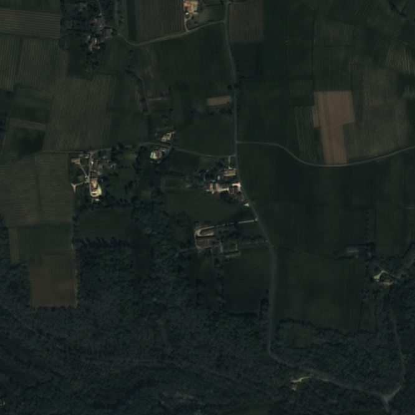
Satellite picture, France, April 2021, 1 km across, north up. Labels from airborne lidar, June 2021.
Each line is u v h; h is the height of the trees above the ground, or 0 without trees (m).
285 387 6
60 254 0
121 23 8
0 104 0
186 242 0
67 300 0
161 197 22
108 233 0
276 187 0
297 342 0
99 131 0
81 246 19
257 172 0
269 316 22
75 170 0
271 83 0
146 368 22
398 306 29
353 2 0
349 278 0
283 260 0
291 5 0
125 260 16
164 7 0
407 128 0
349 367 16
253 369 20
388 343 17
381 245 0
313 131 0
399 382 21
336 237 0
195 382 22
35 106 0
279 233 0
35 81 0
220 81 0
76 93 0
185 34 0
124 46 0
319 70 0
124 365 18
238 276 0
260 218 0
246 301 0
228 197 10
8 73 0
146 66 0
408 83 0
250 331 15
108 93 0
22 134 0
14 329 23
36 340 27
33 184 0
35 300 0
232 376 17
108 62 0
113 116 0
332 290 0
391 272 9
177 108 0
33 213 0
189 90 0
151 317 10
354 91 0
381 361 14
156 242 24
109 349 20
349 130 0
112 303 10
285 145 0
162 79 0
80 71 0
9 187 0
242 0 0
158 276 23
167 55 0
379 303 12
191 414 26
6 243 14
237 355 16
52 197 0
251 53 0
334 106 0
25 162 0
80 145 0
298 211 0
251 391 26
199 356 21
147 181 0
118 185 0
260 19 0
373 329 0
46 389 17
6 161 0
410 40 0
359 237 0
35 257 0
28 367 17
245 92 0
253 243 12
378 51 0
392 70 0
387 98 0
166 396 18
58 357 23
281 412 0
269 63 0
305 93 0
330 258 0
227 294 0
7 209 0
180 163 0
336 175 0
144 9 0
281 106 0
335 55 0
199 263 0
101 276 9
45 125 0
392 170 0
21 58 0
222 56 0
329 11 0
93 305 14
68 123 0
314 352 9
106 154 15
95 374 13
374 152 0
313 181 0
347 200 0
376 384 23
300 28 0
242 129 0
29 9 0
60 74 0
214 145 0
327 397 16
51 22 0
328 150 0
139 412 30
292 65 0
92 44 0
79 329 16
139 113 0
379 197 0
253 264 0
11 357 21
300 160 0
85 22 11
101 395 10
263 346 18
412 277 12
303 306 0
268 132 0
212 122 0
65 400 26
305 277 0
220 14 0
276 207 0
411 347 19
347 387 18
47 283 0
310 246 0
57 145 0
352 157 0
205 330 20
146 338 22
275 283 0
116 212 0
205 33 0
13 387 16
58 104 0
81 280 13
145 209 21
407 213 0
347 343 18
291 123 0
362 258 8
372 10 0
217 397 22
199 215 0
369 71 0
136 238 0
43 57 0
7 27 0
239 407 18
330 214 0
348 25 0
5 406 7
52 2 0
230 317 19
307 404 21
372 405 10
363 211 0
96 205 13
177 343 12
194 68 0
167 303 16
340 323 0
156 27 0
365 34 0
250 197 0
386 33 0
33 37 0
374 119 0
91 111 0
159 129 0
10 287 12
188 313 22
